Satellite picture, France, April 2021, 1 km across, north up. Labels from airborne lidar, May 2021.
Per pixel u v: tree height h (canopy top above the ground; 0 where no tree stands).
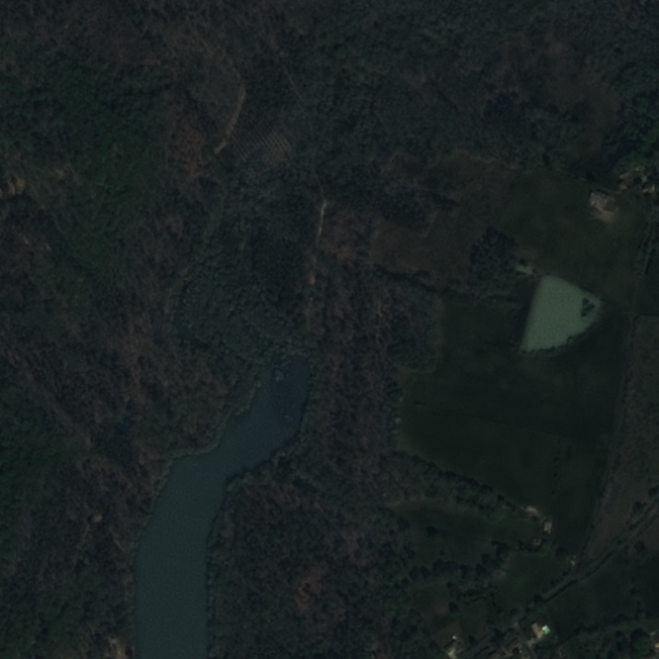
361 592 17
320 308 13
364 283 26
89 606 16
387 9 24
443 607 0
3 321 21
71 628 20
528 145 16
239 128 8
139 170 20
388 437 16
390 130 19
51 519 24
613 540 0
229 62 17
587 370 0
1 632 24
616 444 0
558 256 0
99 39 6
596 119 0
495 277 21
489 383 0
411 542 21
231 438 0
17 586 24
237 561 21
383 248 0
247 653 11
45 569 19
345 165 13
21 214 19
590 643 13
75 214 18
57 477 21
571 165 0
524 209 0
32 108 23
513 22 16
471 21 20
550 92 0
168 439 18
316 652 20
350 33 14
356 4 13
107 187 10
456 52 11
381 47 23
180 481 0
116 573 25
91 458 14
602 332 0
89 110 22
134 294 17
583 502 0
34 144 21
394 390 19
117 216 23
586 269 0
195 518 0
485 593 14
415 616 16
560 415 0
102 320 19
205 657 0
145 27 23
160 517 0
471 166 0
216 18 20
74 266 25
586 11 12
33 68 18
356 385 22
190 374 19
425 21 24
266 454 0
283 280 21
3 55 8
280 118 19
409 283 18
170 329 24
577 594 0
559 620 0
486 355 0
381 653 6
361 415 21
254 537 17
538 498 0
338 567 23
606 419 0
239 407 9
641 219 0
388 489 17
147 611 0
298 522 21
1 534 20
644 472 0
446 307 0
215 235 7
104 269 15
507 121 21
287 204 22
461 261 0
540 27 11
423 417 0
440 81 13
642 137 16
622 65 10
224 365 19
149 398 17
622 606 0
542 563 0
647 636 14
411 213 18
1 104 17
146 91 10
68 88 20
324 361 18
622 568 0
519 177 0
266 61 16
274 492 7
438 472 16
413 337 10
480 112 9
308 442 18
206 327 8
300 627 21
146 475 22
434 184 0
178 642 0
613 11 19
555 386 0
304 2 14
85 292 18
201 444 15
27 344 26
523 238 0
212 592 17
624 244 0
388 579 19
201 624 0
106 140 19
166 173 21
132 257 21
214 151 13
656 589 0
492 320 0
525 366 0
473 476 0
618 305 0
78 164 15
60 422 25
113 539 19
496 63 13
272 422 0
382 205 23
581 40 7
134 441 21
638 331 0
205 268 10
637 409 0
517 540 0
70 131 18
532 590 0
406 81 11
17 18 8
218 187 17
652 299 0
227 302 8
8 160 14
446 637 0
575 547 0
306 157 18
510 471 0
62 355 22
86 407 24
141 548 0
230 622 20
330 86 20
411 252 0
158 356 13
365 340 16
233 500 12
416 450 0
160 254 22
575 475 0
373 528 15
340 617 8
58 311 22
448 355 0
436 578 12
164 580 0
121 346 16
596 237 0
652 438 0
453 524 0
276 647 25
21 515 19
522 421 0
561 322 0
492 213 0
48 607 21
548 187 0
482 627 0
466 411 0
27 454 18
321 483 22
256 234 14
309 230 25
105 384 23
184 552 0
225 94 18
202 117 22
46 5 9
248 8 21
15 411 20
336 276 18
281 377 6
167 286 23
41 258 19
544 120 9
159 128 13
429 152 23
